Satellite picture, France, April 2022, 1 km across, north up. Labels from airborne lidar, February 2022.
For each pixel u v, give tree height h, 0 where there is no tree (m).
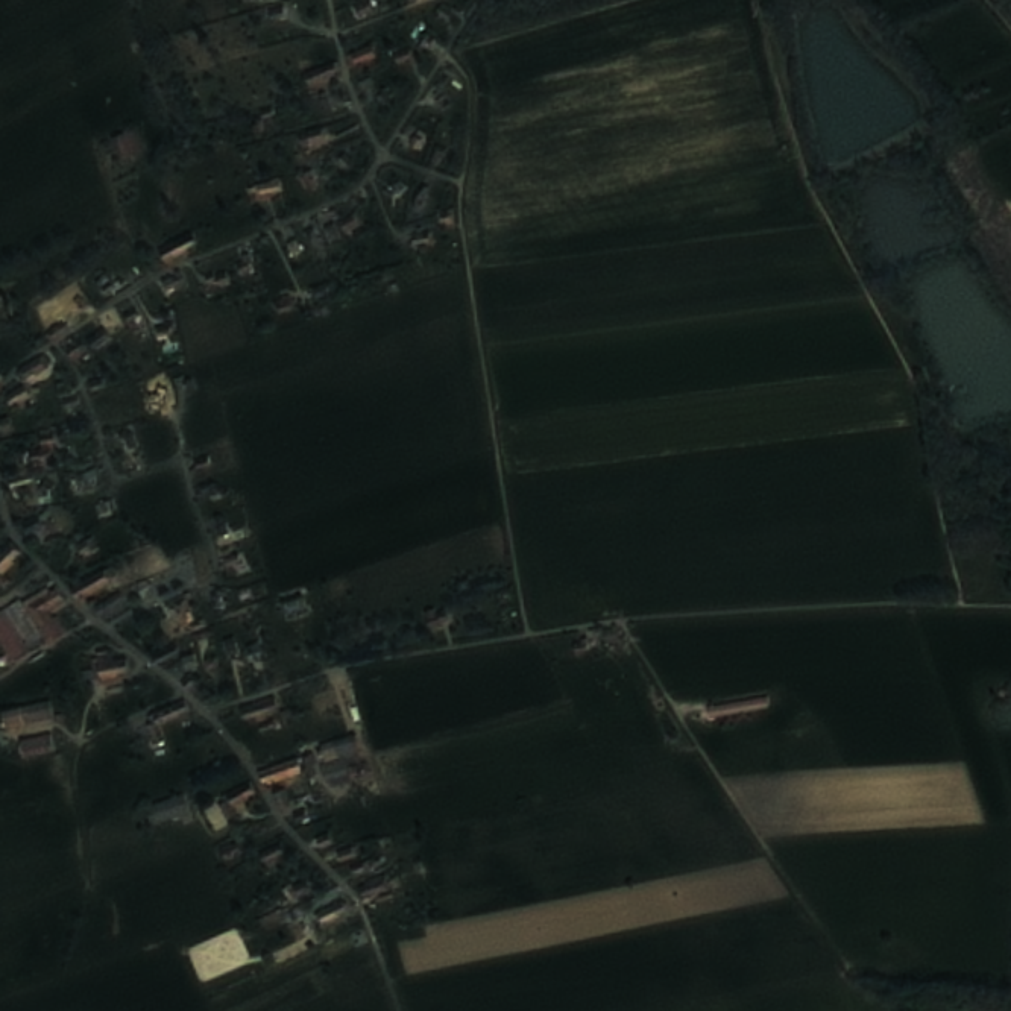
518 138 0
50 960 0
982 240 0
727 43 0
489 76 0
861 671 0
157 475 0
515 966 0
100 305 12
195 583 0
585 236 0
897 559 0
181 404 0
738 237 0
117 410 0
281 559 0
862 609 0
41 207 0
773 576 0
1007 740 0
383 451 0
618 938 0
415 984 0
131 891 0
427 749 0
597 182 0
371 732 0
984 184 0
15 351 0
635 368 0
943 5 16
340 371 0
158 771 0
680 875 0
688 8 0
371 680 0
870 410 0
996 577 0
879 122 0
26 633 0
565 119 0
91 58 0
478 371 0
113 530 0
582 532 0
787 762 0
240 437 0
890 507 0
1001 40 0
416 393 0
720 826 0
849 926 0
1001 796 0
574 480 0
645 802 0
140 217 0
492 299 0
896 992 23
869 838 0
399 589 0
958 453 25
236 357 0
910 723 0
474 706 0
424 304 0
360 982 0
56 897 0
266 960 11
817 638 0
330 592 0
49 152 0
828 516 0
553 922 0
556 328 0
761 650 0
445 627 0
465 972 0
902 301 21
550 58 0
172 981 0
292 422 0
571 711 0
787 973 0
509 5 14
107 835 0
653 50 0
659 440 0
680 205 0
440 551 0
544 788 0
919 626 0
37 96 0
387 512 0
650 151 0
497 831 0
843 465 0
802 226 0
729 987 0
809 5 25
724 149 0
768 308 0
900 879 0
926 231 0
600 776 0
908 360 0
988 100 0
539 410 0
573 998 0
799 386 0
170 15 0
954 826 0
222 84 10
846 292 0
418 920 14
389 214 0
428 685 0
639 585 0
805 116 18
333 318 0
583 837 0
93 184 0
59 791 0
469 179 0
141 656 0
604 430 0
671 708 0
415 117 0
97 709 0
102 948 0
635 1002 0
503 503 0
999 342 0
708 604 0
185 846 0
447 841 0
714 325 0
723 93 0
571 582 0
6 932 0
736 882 0
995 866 0
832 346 0
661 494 0
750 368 0
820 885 0
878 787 0
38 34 0
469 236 0
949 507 17
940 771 0
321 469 0
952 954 0
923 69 26
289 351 0
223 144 0
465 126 14
